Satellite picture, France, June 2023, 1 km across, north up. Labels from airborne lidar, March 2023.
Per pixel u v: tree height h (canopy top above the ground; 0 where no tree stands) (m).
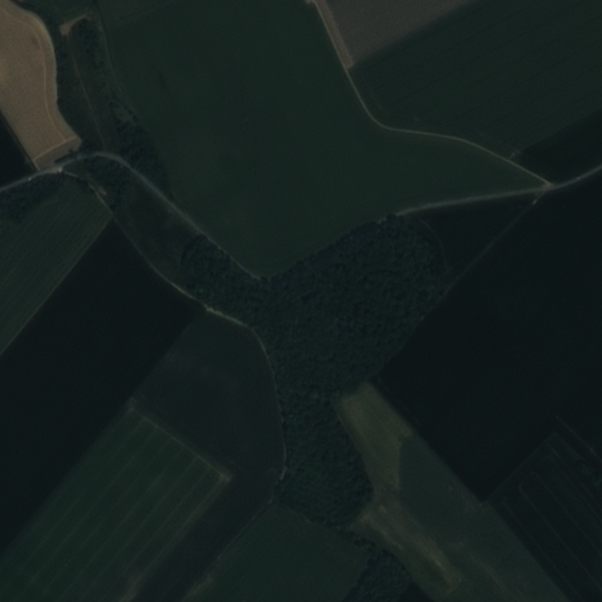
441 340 0
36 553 0
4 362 0
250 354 0
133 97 0
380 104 0
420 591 0
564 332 0
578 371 0
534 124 0
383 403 0
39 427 0
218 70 0
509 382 0
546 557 0
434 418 0
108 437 0
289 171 0
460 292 0
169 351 0
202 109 0
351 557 0
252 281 11
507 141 0
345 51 0
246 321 12
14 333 0
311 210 0
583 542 0
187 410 0
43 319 0
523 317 0
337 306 26
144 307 0
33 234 0
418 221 0
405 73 0
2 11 0
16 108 0
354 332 23
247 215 0
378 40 0
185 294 0
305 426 18
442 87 0
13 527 0
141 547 0
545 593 0
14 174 0
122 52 0
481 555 0
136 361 0
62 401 0
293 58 0
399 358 0
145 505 0
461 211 0
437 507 0
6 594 0
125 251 0
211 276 16
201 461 0
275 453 0
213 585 0
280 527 0
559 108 0
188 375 0
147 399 0
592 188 0
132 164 14
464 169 0
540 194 0
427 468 0
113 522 0
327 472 8
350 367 22
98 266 0
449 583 0
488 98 0
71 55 0
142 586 0
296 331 18
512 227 0
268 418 0
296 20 0
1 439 0
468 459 0
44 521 0
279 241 0
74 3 0
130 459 0
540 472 0
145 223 0
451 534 0
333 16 0
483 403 0
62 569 0
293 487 8
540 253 0
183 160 0
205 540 0
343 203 0
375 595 24
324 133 0
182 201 0
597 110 0
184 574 0
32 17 0
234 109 0
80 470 0
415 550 0
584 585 0
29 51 0
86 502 0
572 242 0
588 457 0
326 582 0
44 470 0
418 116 0
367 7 0
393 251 20
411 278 23
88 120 0
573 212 0
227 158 0
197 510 0
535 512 0
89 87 0
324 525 7
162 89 0
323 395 15
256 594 0
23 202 11
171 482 0
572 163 0
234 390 0
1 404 0
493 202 0
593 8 0
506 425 0
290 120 0
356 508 15
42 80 0
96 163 12
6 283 0
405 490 0
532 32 0
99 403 0
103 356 0
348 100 0
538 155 0
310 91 0
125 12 0
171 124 0
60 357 0
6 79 0
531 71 0
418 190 0
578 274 0
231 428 0
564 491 0
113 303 0
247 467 0
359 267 27
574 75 0
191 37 0
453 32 0
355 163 0
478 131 0
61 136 0
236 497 0
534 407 0
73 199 0
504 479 0
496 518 0
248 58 0
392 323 22
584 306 0
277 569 0
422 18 0
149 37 0
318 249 0
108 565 0
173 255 0
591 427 0
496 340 0
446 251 0
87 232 0
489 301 0
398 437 0
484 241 0
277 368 12
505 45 0
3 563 0
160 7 0
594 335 0
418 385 0
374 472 0
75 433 0
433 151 0
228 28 0
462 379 0
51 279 0
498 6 0
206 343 0
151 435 0
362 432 0
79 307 0
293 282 21
